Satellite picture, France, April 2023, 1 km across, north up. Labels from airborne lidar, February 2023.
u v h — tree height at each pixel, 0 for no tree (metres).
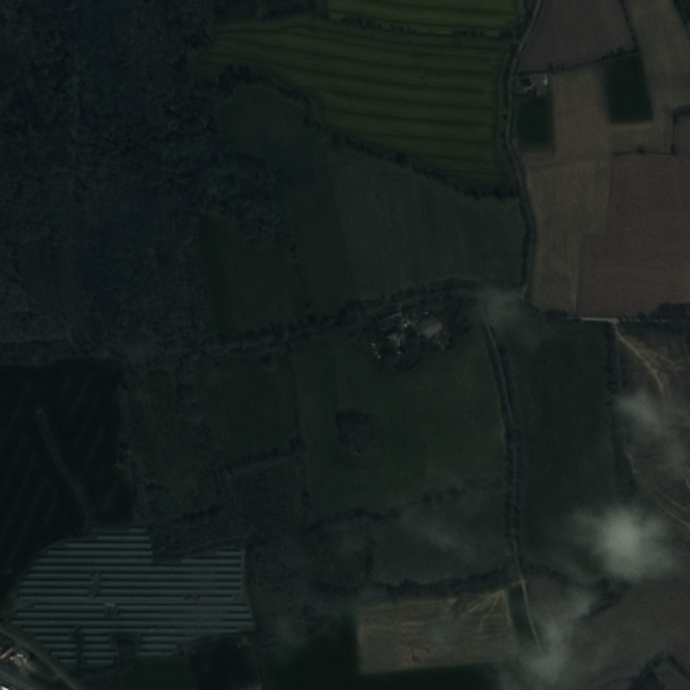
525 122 0
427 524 0
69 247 14
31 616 0
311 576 0
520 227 0
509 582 15
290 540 0
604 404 0
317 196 0
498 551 0
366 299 0
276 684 0
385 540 0
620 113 0
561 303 0
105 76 11
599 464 0
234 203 12
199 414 15
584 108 0
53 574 0
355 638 0
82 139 17
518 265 0
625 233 0
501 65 0
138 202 12
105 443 0
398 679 0
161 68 12
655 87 0
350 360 0
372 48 0
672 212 0
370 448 19
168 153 16
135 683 0
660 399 0
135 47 13
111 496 0
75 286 17
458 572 0
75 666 0
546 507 0
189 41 20
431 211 0
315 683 0
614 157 0
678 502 0
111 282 17
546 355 0
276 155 0
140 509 12
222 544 7
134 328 18
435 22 0
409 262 0
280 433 0
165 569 0
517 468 20
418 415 0
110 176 10
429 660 0
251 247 13
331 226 0
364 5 0
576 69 0
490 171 0
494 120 0
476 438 0
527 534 0
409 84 0
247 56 0
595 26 0
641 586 0
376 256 0
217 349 13
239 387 0
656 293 0
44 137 20
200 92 21
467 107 0
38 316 14
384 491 0
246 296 0
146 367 16
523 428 0
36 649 0
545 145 0
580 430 0
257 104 0
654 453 0
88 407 0
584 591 7
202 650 0
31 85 13
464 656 0
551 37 0
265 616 0
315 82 0
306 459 11
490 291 21
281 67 0
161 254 11
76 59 11
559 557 0
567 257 0
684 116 13
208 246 0
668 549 11
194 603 0
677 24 0
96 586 0
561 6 0
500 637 0
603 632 0
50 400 0
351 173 0
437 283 0
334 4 0
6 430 0
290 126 0
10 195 12
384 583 0
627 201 0
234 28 0
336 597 17
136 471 10
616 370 18
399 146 0
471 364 0
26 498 0
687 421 0
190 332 12
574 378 0
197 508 0
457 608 0
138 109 13
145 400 0
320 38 0
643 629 0
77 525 0
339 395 0
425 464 0
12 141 18
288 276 0
